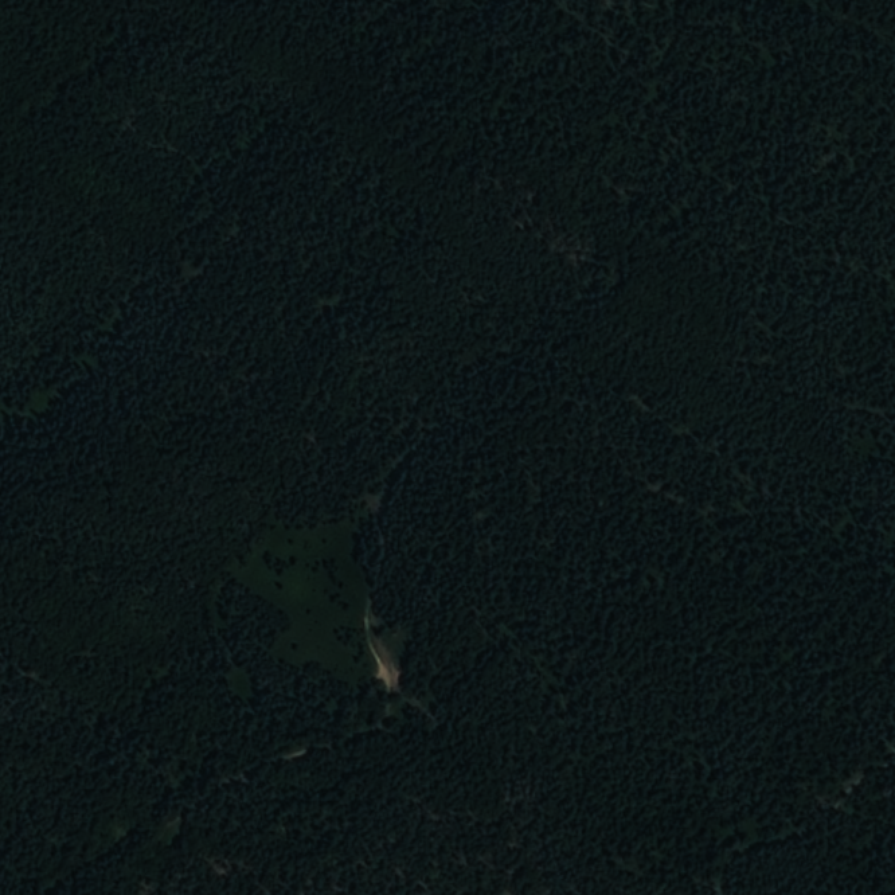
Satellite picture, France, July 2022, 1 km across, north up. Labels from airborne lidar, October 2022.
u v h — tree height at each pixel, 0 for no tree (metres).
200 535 20
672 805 20
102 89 12
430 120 15
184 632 12
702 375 22
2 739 22
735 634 14
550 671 6
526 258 21
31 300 7
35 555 24
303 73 22
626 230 22
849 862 18
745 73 15
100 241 9
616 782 17
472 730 19
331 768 25
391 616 20
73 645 15
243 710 21
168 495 22
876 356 11
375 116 18
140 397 26
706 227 14
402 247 26
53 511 9
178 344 31
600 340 16
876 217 19
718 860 32
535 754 16
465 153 18
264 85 10
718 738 12
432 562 16
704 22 14
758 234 16
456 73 25
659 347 19
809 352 21
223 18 17
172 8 15
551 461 8
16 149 14
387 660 0
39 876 24
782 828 27
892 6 10
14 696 16
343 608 10
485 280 26
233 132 21
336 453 16
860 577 11
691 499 18
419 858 17
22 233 19
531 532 19
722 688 19
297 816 8
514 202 23
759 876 17
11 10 18
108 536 18
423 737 16
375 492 18
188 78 16
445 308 19
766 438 15
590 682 29
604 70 9
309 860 23
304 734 13
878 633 19
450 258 23
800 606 17
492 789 21
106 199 13
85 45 16
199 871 20
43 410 0
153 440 17
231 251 19
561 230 22
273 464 17
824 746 8
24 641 21
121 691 25
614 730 19
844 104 18
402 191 21
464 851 16
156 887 6
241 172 12
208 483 20
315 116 22
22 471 28
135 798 20
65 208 17
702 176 26
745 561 21
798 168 12
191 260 14
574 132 17
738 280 24
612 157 12
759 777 24
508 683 24
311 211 16
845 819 28
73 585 21
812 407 14
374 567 25
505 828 21
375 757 20
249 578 0
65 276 7
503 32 17
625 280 21
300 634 0
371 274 26
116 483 15
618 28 13
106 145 14
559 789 22
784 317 19
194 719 17
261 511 20
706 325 18
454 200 12
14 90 15
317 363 16
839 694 20
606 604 17
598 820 22
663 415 20
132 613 19
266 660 21
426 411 9
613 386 23
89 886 22
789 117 7
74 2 19
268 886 21
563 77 23
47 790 24
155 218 11
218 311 13
